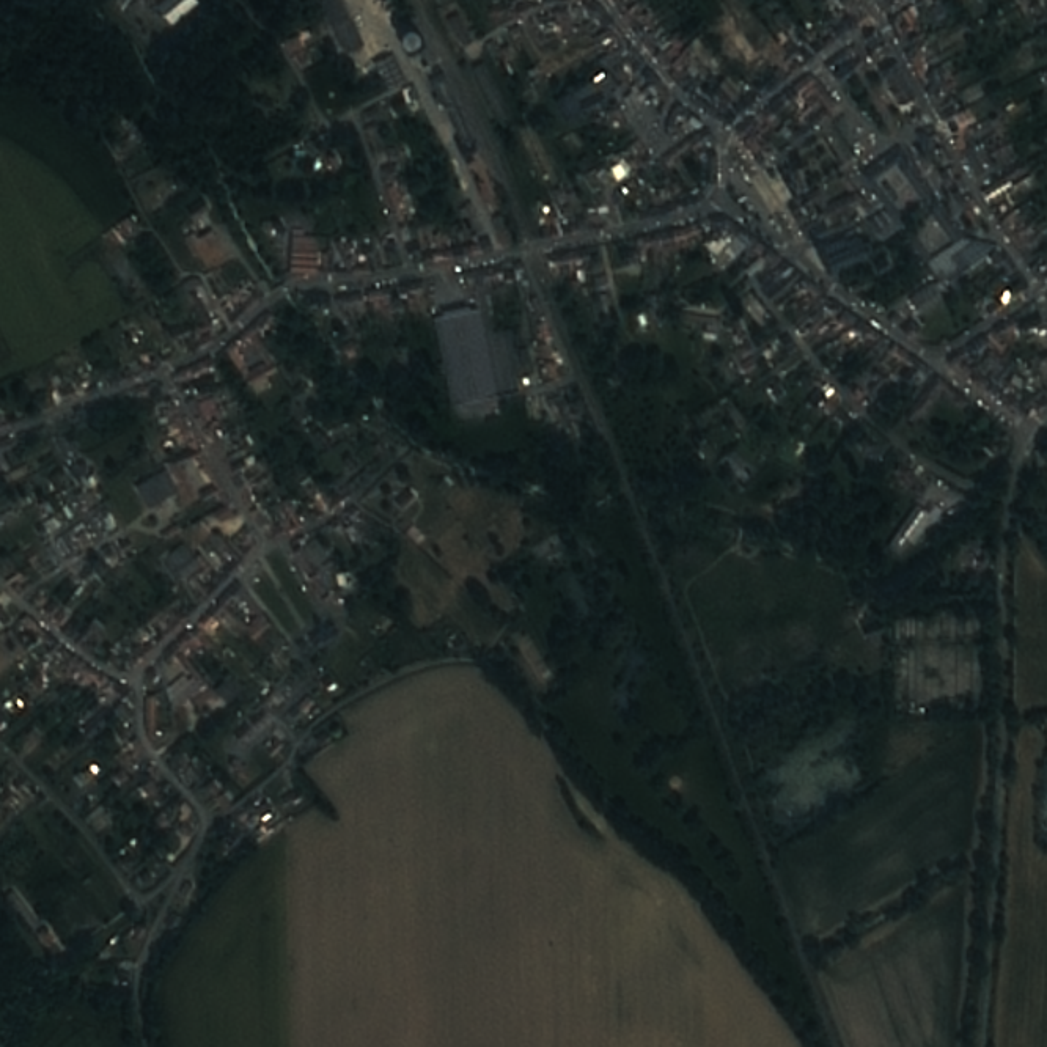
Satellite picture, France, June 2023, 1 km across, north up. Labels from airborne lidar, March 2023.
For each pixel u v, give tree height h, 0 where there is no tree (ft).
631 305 49
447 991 0
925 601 70
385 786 0
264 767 0
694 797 0
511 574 46
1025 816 0
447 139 0
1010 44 42
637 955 0
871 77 36
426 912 0
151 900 0
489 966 0
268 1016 0
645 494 60
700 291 21
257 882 0
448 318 0
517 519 0
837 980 0
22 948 56
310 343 55
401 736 0
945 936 0
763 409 23
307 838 0
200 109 72
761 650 0
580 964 0
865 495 45
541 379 0
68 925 0
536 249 0
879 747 0
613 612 47
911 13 0
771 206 0
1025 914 0
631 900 0
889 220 0
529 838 0
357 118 0
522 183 0
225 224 35
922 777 0
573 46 0
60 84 26
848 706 33
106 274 0
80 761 0
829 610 0
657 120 0
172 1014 0
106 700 0
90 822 0
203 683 0
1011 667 24
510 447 0
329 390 21
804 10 0
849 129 0
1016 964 0
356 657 0
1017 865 0
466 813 0
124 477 0
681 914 0
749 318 0
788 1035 0
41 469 0
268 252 29
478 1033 0
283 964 0
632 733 0
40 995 59
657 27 22
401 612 20
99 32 50
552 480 53
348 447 0
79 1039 0
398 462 0
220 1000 0
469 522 0
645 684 0
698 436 50
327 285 0
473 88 0
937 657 0
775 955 0
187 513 0
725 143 0
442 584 0
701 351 0
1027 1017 0
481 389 0
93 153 0
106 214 0
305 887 0
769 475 0
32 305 0
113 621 0
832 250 0
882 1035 0
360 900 0
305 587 0
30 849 19
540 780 0
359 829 0
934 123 0
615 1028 0
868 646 0
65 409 0
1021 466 0
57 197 0
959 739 0
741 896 0
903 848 0
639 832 89
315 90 0
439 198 51
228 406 31
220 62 110
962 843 0
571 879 0
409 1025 0
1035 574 0
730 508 0
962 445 38
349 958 0
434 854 0
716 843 48
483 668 78
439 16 0
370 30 0
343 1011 0
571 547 68
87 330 0
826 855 0
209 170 50
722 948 0
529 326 0
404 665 0
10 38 28
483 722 0
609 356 29
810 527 83
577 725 0
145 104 19
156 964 30
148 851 22
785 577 0
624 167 0
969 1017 28
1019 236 0
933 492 0
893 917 25
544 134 44
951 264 0
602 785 30
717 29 0
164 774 0
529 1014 0
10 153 0
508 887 0
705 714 25
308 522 0
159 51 73
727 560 0
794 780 0
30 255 0
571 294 35
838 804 62
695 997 0
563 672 22
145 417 0
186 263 0
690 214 0
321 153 0
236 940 0
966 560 0
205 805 0
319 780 0
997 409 0
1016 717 52
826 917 0
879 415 27
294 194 72
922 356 0
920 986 0
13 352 0
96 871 0
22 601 0
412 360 23
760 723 77
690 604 0
